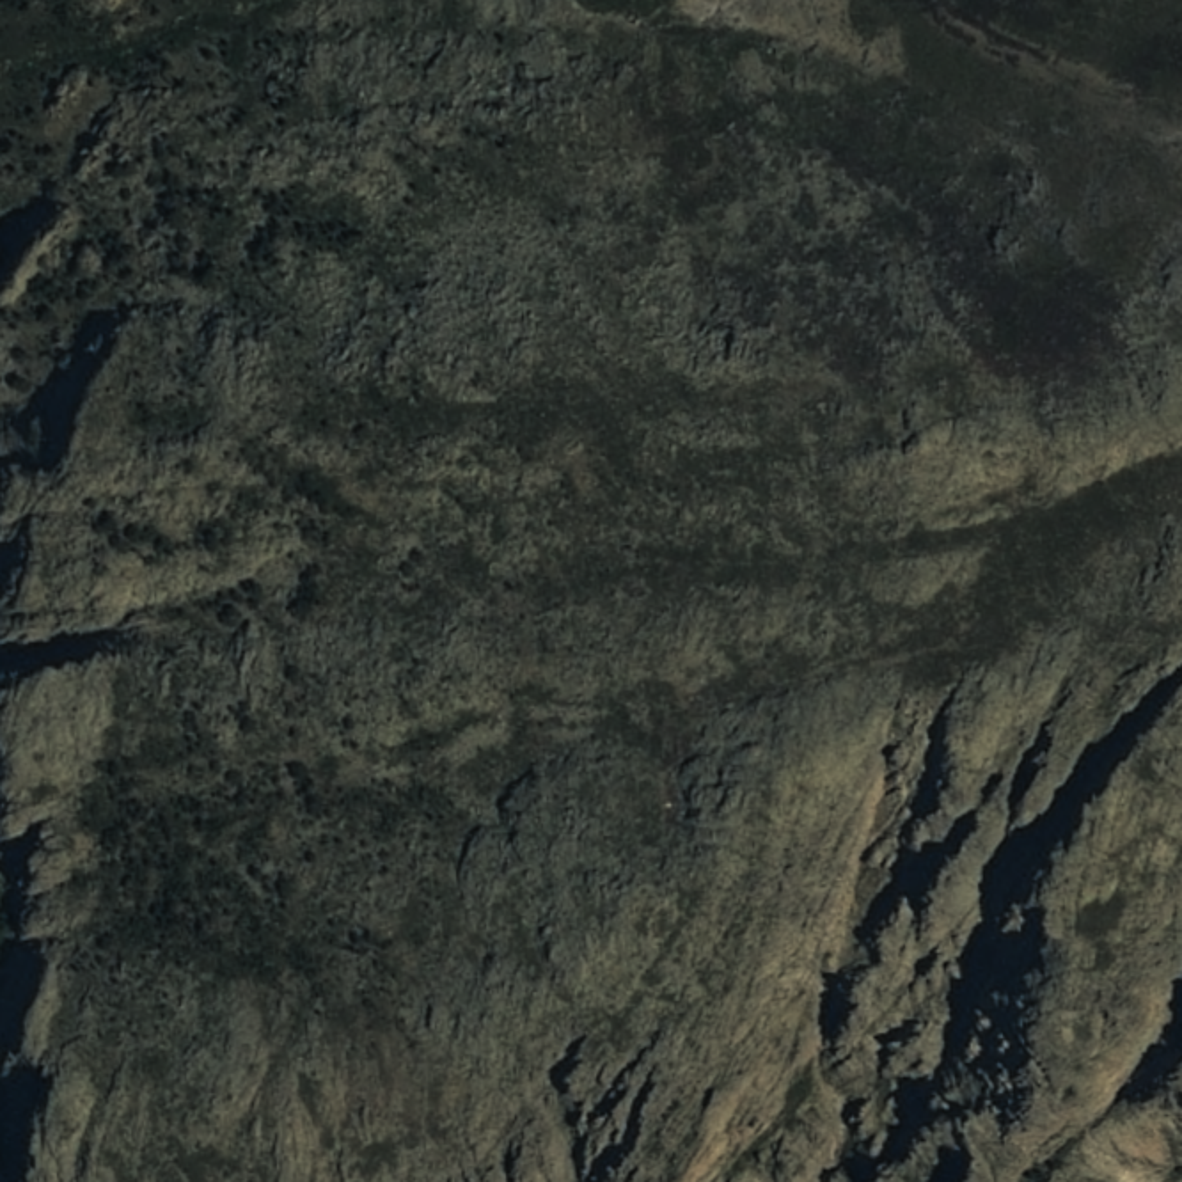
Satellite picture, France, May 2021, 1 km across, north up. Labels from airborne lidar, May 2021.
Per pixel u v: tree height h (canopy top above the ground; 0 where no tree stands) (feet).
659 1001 0
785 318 0
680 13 0
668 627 0
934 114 0
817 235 0
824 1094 0
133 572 0
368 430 25
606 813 0
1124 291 0
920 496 0
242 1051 0
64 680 0
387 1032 0
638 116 0
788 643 0
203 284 52
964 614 0
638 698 0
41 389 0
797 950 0
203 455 0
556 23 0
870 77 0
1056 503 0
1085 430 0
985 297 0
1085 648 0
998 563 0
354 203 0
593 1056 0
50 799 0
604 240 0
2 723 0
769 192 0
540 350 0
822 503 0
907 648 0
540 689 0
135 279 48
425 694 0
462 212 0
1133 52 0
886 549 0
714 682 0
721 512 0
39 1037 0
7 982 0
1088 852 0
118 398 0
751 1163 0
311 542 25
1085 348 0
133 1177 0
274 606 0
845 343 0
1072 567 0
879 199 0
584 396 0
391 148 0
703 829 0
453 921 0
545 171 0
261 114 0
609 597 0
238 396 0
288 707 25
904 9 0
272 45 32
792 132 0
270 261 29
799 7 0
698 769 0
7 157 65
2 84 0
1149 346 0
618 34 0
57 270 23
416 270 0
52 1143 0
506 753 0
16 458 0
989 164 0
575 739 0
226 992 0
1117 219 0
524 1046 0
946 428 0
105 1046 0
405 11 0
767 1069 0
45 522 0
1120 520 0
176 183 31
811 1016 0
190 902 39
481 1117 0
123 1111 0
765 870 0
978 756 0
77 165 0
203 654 0
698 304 0
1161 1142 0
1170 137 0
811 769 0
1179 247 0
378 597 0
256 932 21
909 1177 27
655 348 0
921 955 0
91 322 0
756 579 0
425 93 0
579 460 0
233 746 0
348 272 0
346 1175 0
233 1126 0
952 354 0
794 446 0
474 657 0
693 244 0
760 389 0
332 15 0
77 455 0
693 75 0
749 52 0
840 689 0
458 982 0
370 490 0
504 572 0
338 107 20
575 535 0
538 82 0
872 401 0
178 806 23
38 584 0
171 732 0
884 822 0
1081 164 0
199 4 0
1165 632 0
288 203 21
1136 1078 0
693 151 0
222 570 0
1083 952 0
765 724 0
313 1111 0
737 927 0
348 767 0
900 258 0
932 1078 0
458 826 0
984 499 0
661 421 0
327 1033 0
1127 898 0
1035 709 0
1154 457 0
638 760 0
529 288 0
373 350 0
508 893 0
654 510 0
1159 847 0
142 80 25
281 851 0
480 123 0
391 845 0
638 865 0
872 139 0
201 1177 0
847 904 0
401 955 0
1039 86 0
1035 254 0
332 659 0
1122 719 0
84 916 0
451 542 0
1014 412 0
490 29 0
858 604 0
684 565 0
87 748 0
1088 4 0
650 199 0
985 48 0
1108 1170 0
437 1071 0
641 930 0
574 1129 42
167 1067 0
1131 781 0
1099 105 0
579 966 0
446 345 0
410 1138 0
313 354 0
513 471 0
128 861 28
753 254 0
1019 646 0
